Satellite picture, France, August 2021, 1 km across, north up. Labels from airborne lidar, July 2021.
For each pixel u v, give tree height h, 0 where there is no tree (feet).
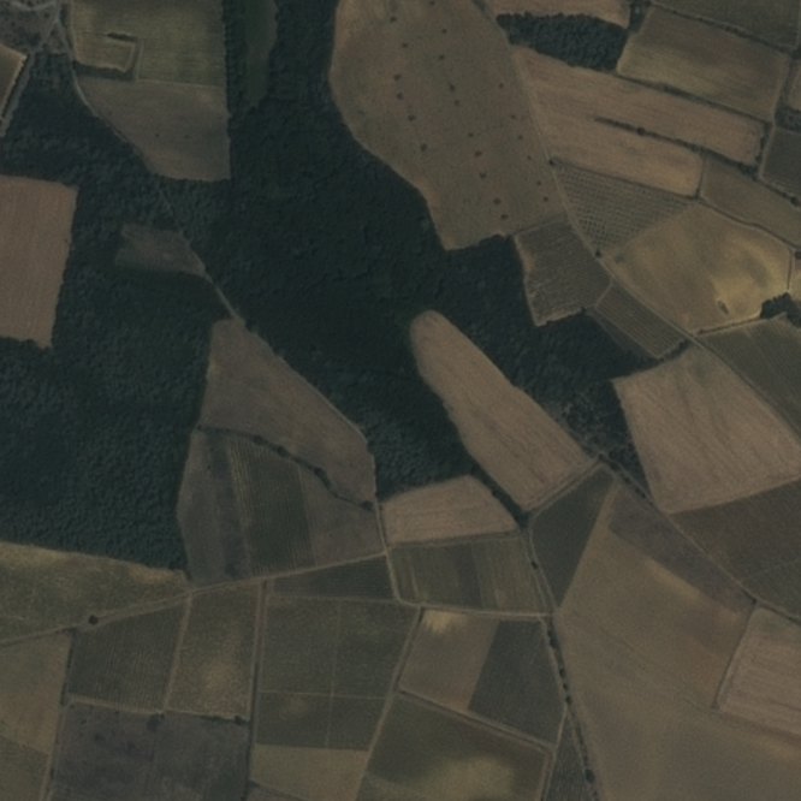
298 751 0
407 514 0
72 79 35
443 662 0
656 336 0
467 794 0
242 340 0
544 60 0
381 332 61
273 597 0
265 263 57
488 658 0
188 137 0
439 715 0
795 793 0
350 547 0
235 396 0
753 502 0
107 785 0
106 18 0
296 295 51
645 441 0
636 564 0
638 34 0
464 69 0
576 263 0
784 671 0
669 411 0
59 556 0
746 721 0
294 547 0
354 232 69
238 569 0
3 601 0
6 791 0
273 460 0
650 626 0
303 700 0
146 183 48
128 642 0
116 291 33
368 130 0
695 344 0
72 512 45
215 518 0
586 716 0
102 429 46
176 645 0
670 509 0
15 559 0
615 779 0
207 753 0
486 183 0
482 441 0
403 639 0
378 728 0
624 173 0
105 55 0
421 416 63
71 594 0
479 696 0
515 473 0
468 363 0
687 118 0
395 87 0
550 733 0
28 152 30
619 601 0
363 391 42
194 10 0
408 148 0
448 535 0
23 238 0
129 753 0
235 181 35
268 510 0
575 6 0
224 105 0
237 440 0
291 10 53
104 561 0
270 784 0
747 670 0
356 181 65
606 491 0
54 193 0
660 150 0
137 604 0
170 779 0
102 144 35
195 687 0
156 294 36
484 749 0
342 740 0
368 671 0
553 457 0
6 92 0
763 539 0
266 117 66
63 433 34
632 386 0
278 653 0
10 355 55
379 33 0
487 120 0
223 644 0
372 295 55
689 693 0
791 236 0
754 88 0
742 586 0
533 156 0
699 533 0
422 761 0
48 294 0
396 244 63
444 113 0
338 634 0
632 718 0
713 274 0
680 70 0
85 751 0
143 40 0
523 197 0
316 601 0
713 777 0
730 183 0
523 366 22
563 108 0
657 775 0
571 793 0
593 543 0
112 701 0
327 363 43
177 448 43
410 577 0
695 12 0
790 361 0
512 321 28
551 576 0
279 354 56
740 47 0
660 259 0
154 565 56
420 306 53
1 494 38
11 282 0
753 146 0
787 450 0
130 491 21
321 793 0
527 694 0
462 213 0
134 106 0
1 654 0
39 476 35
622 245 0
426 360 0
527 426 0
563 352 25
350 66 0
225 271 40
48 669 0
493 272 26
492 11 0
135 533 45
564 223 0
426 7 0
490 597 0
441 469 72
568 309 0
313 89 31
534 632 0
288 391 0
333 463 0
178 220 55
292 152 72
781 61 0
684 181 0
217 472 0
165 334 18
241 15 52
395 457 58
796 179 0
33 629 0
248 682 0
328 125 41
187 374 42
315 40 28
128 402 33
